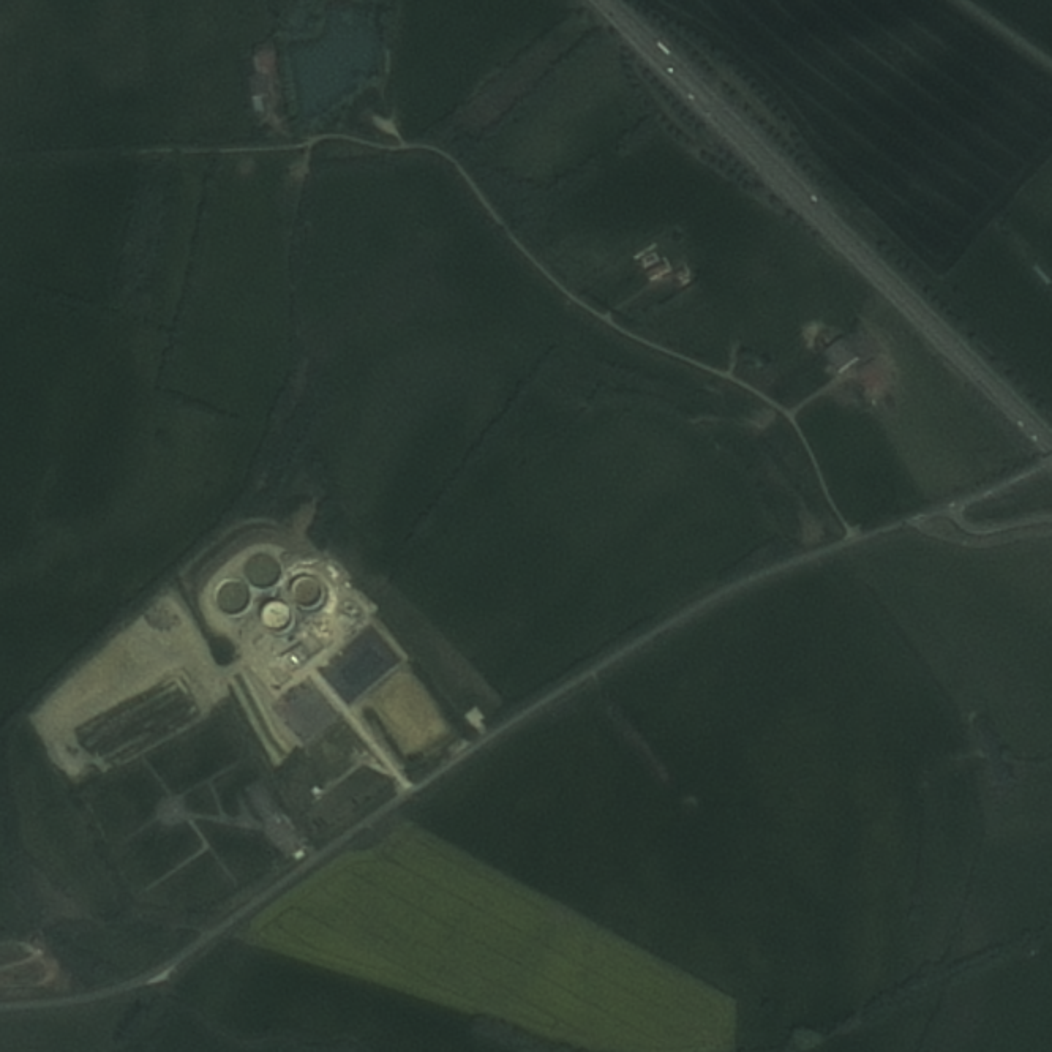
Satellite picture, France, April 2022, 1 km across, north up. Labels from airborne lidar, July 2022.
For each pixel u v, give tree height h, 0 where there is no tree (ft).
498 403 0
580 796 0
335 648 0
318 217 0
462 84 0
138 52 0
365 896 0
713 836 0
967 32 0
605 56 0
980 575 0
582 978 0
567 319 0
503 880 0
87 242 0
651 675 0
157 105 0
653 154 0
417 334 0
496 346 0
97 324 0
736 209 0
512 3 0
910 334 0
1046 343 0
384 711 0
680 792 0
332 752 0
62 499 0
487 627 0
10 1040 0
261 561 0
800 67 0
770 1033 0
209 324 0
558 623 0
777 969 0
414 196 0
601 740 0
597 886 0
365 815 0
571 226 0
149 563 0
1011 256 0
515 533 0
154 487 0
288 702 0
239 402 0
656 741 0
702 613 0
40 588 0
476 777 0
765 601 0
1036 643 0
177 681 0
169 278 0
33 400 0
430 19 0
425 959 0
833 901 0
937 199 0
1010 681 0
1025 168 0
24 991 0
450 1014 0
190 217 0
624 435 0
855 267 0
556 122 0
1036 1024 0
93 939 0
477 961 0
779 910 0
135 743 0
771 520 0
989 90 0
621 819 0
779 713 0
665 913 0
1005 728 0
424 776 0
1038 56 0
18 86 0
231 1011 0
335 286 0
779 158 0
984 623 0
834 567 0
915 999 19
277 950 0
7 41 0
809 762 0
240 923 0
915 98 0
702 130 43
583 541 0
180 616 0
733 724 0
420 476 0
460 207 0
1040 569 0
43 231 0
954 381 0
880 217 0
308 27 22
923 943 0
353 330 0
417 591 0
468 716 0
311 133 32
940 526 0
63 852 0
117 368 0
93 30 0
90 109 0
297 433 18
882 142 0
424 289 0
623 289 0
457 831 0
